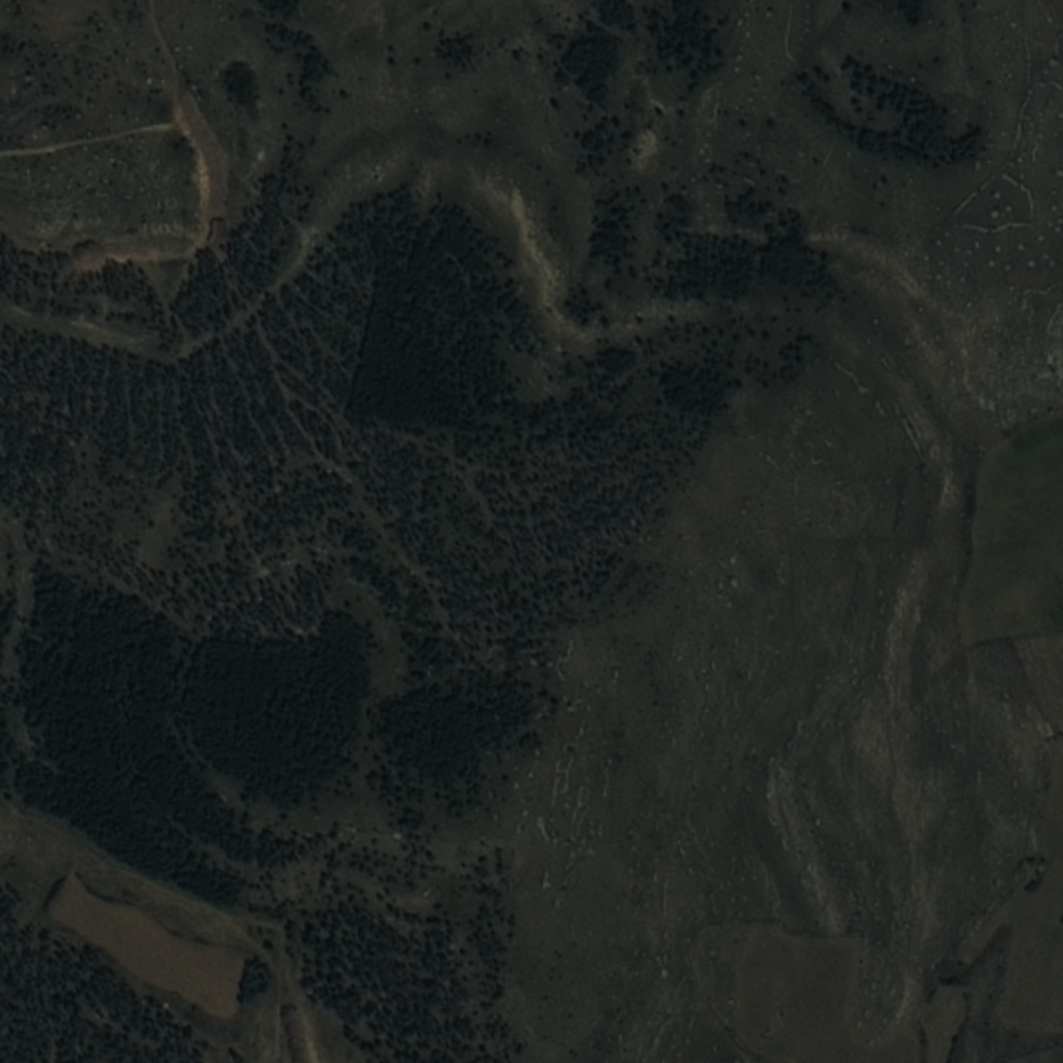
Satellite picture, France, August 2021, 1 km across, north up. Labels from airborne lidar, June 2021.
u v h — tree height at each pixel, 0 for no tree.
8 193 0
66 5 0
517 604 8
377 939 10
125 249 0
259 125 0
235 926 0
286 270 0
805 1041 0
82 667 12
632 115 0
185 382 10
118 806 14
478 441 7
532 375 0
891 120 0
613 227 10
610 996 0
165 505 0
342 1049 0
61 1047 10
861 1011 0
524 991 0
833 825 0
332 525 9
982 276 0
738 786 0
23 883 0
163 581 10
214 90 0
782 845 0
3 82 0
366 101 0
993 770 0
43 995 10
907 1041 0
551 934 0
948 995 0
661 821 0
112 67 0
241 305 9
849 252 0
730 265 8
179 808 14
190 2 0
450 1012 10
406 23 0
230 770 10
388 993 13
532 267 0
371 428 11
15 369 12
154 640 14
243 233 11
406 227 7
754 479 0
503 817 0
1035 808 0
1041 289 0
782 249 12
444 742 12
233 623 9
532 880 0
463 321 7
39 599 9
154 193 0
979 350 0
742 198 7
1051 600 0
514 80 0
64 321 0
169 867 12
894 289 0
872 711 0
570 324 0
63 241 0
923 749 0
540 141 0
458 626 12
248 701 14
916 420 0
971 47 0
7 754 7
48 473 10
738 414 0
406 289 6
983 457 0
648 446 7
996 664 0
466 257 10
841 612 0
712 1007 0
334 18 0
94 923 0
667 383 11
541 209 0
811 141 0
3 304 0
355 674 11
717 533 0
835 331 0
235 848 10
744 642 0
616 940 0
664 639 0
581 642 0
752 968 0
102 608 12
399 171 0
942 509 0
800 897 0
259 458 8
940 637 0
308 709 7
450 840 0
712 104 0
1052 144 0
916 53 0
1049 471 0
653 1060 0
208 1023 0
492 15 0
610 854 0
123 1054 6
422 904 0
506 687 6
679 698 0
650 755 0
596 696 0
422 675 10
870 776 0
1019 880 0
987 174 0
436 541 7
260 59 0
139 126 0
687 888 0
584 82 11
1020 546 0
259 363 10
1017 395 0
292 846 8
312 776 7
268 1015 0
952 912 0
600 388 6
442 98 0
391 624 0
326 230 0
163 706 13
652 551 0
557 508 10
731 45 0
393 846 0
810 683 0
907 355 0
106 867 0
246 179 0
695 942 0
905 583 0
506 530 10
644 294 0
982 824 0
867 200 0
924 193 0
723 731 0
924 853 0
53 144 0
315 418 14
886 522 0
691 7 8
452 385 7
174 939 0
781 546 0
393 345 9
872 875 0
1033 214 0
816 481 0
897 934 0
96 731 13
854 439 0
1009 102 0
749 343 0
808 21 0
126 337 0
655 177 0
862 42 0
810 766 0
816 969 0
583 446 8
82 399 11
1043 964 0
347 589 0
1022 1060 0
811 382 0
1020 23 0
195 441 10
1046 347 0
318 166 0
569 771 0
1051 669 0
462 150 0
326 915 7
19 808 0
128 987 7
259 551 6
